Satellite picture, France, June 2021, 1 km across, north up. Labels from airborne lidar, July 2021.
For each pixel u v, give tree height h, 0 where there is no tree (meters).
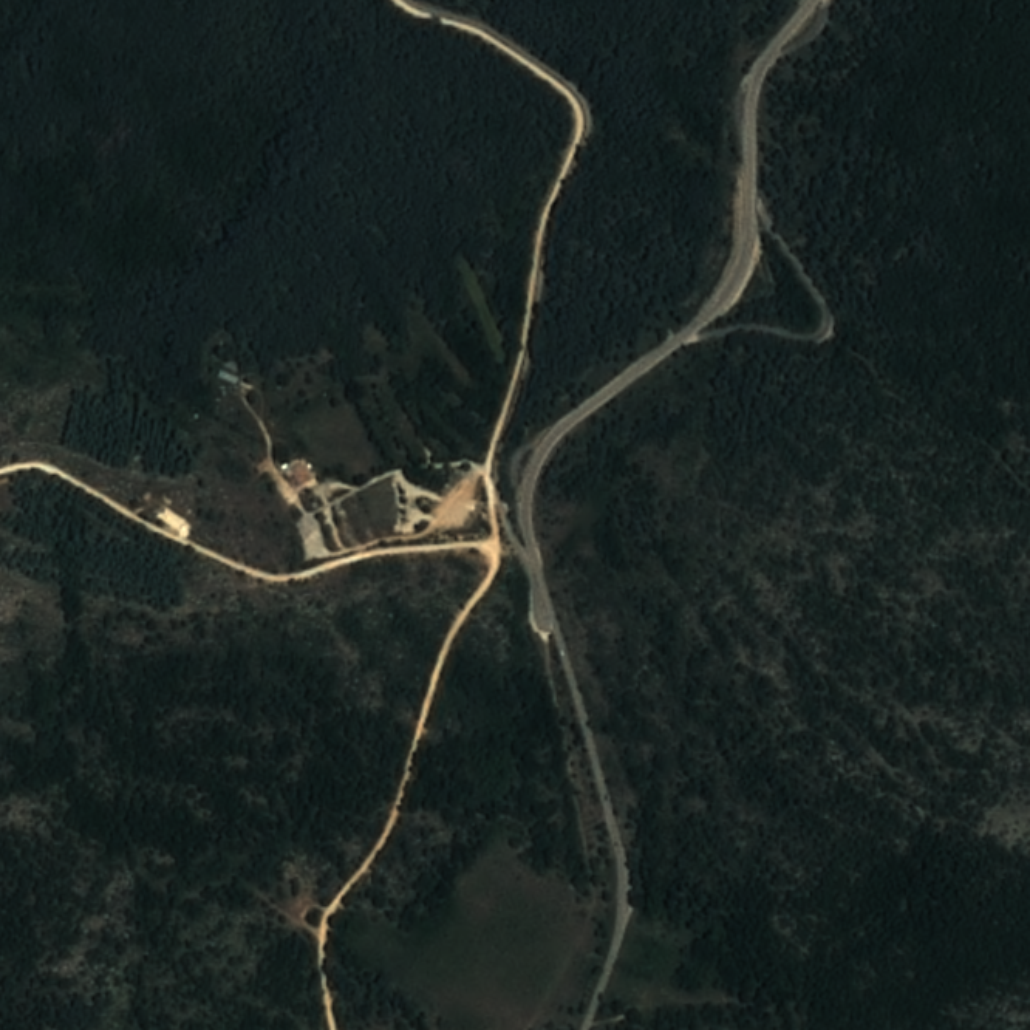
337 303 13
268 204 15
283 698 9
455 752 7
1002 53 10
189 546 6
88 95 11
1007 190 14
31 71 15
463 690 10
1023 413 7
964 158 15
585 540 0
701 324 0
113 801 6
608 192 8
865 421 8
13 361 0
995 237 12
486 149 13
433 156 13
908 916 7
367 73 14
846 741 9
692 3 12
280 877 6
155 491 0
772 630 6
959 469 6
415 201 13
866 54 10
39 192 11
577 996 0
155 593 11
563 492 7
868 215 12
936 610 8
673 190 9
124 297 12
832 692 7
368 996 11
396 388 8
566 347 13
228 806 9
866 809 8
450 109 12
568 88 0
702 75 12
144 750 8
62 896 8
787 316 13
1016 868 6
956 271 9
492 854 0
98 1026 9
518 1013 0
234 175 13
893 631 8
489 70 15
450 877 14
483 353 11
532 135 13
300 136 14
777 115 9
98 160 10
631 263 9
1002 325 10
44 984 9
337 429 0
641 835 9
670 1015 9
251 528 0
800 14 0
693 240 13
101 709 7
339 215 14
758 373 9
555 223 12
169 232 10
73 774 8
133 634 0
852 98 12
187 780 9
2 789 9
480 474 0
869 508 6
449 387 10
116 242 9
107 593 12
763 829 8
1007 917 11
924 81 13
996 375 11
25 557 8
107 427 14
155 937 7
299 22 16
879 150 10
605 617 0
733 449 7
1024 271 11
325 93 12
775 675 0
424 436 8
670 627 6
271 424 0
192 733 7
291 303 15
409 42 14
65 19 14
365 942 0
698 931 7
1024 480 9
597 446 10
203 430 0
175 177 8
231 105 8
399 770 8
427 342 0
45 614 0
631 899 12
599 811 0
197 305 17
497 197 10
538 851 7
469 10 9
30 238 8
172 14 14
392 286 18
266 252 16
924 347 9
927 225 8
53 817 7
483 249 12
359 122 12
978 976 8
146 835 6
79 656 10
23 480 8
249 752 9
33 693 9
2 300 11
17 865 11
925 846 8
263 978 6
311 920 8
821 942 9
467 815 9
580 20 11
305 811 12
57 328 10
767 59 0
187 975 7
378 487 0
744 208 0
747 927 12
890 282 11
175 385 10
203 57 15
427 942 0
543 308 13
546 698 10
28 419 0
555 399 9
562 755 8
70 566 17
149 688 6
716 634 6
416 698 8
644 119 10
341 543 0
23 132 16
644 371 0
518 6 11
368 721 7
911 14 11
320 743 7
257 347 12
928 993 8
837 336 8
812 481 6
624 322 14
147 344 13
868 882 6
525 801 12
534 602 0
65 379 0
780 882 11
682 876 9
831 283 9
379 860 6
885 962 7
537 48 8
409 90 14
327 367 9
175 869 6
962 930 9
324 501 0
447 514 0
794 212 6
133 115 15
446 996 0
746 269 0
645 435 5
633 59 15
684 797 8
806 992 6
